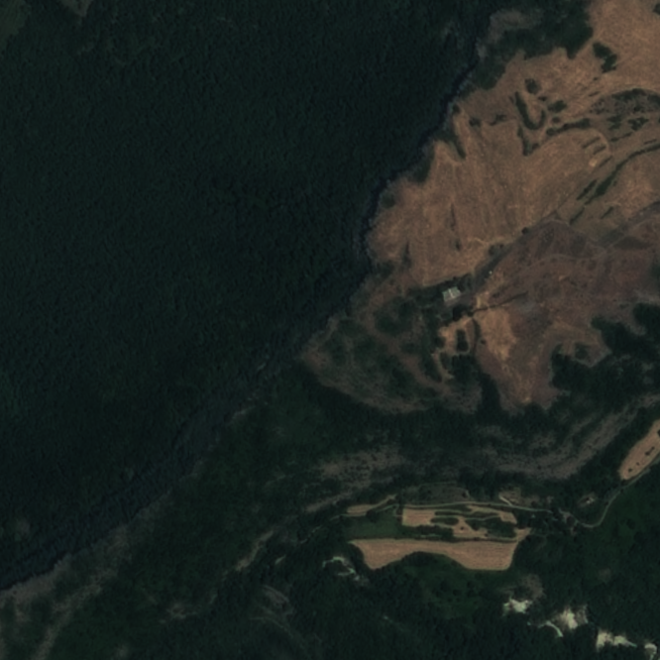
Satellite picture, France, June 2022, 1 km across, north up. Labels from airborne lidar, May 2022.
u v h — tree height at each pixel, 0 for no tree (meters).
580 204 0
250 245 16
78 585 8
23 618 0
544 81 0
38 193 12
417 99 14
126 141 13
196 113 16
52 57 10
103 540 8
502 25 0
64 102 13
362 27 9
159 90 12
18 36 7
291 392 6
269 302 19
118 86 12
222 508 6
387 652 11
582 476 6
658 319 9
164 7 14
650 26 0
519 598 11
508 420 8
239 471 9
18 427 14
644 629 18
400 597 19
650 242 0
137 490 8
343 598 12
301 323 8
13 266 13
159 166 12
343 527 10
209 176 12
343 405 12
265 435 12
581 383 12
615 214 0
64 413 22
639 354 6
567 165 0
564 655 16
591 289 0
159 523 10
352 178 16
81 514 16
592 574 6
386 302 0
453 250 0
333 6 8
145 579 6
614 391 8
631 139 0
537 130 0
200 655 5
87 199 14
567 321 0
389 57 10
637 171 0
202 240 14
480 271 0
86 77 15
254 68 17
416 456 7
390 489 7
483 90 0
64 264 14
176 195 13
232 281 19
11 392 7
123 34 15
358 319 0
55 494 18
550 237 0
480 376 6
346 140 15
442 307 0
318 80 17
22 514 14
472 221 0
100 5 13
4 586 14
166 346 17
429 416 10
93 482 16
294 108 14
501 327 0
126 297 16
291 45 12
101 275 16
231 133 14
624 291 0
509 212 0
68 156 12
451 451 8
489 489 7
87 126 11
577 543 13
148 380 13
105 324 17
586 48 0
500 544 0
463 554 0
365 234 10
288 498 7
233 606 6
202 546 6
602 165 0
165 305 15
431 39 15
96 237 16
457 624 10
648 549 10
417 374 0
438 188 0
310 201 19
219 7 10
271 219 14
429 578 0
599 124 0
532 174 0
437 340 9
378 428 9
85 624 5
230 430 7
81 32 14
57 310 18
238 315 16
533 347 0
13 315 14
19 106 11
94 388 18
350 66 10
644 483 9
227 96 14
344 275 16
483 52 0
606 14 0
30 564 10
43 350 17
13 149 6
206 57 12
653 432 0
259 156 10
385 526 0
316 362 0
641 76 0
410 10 13
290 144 14
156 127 15
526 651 15
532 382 0
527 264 0
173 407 14
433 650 11
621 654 11
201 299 15
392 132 13
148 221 15
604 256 0
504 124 0
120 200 13
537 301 0
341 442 7
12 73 12
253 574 14
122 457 17
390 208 0
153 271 12
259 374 8
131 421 17
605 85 0
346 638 14
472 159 0
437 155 0
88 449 23
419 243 0
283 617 8
